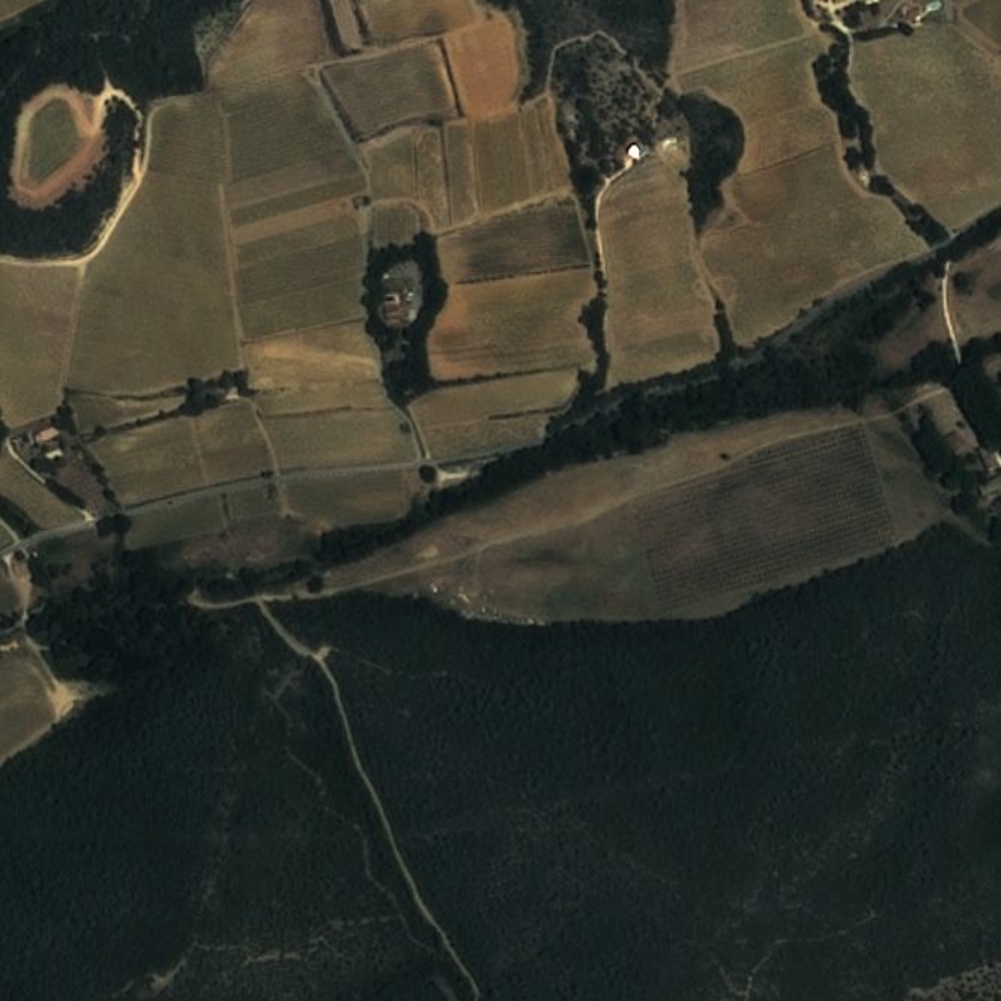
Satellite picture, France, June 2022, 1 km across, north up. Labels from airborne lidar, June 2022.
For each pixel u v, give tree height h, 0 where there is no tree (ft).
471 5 0
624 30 0
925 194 0
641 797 25
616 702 50
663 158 0
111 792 30
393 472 0
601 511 0
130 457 0
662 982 20
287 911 25
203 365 0
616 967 31
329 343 0
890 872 21
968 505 51
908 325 0
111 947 28
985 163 0
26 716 0
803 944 22
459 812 19
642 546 0
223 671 19
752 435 0
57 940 35
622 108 23
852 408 42
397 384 42
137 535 0
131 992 25
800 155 0
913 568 25
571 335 0
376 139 0
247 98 0
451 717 41
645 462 0
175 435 0
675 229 0
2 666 0
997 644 23
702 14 0
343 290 0
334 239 0
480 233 0
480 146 0
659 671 30
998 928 21
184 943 23
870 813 22
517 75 0
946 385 78
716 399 52
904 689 24
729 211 0
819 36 0
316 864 27
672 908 19
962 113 0
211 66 0
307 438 0
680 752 20
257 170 0
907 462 0
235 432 0
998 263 0
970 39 0
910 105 0
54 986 27
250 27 0
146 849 19
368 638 20
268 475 30
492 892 20
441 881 21
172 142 0
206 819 24
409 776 22
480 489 57
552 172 0
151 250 0
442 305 22
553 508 0
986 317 0
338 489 0
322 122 0
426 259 31
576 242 0
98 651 82
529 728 18
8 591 0
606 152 27
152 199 0
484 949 28
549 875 24
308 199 0
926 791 30
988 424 99
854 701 36
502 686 20
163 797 22
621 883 22
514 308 0
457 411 0
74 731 32
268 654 23
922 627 20
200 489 0
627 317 0
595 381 38
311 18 0
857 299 35
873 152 35
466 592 0
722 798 22
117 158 46
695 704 24
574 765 21
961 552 23
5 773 32
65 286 0
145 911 32
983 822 18
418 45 0
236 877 31
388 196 0
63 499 39
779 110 0
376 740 20
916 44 0
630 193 0
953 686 22
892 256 0
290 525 0
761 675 25
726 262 0
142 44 27
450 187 0
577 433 60
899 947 21
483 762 21
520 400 0
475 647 37
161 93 25
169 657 23
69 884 30
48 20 24
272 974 31
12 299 0
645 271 0
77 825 29
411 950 28
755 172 0
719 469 0
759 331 0
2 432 38
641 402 56
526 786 31
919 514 0
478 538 0
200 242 0
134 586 45
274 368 0
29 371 0
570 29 0
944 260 37
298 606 23
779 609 40
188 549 0
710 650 33
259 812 35
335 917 18
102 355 0
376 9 0
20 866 38
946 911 23
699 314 0
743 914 24
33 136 0
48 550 0
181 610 54
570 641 46
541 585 0
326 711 31
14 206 20
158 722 26
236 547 0
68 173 0
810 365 32
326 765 30
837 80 30
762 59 0
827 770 30
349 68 0
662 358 0
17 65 23
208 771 22
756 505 0
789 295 0
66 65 30
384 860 33
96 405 0
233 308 0
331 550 54
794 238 0
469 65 0
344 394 0
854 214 0
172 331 0
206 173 0
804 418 0
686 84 0
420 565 0
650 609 0
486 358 0
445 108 0
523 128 0
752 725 29
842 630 25
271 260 0
